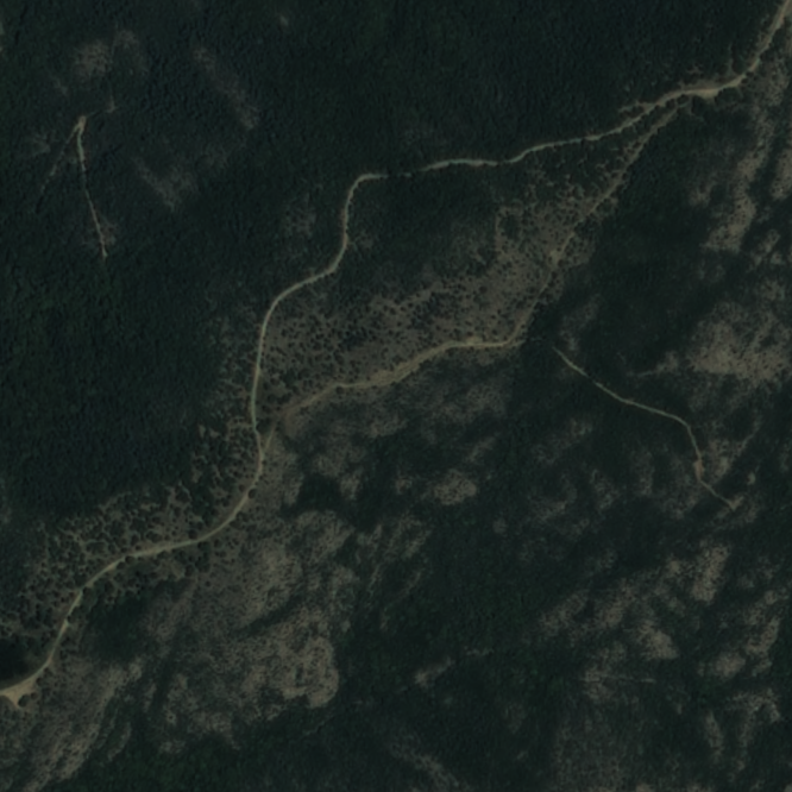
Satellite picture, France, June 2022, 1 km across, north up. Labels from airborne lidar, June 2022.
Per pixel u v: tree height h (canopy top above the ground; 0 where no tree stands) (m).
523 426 12
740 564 7
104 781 13
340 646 8
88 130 7
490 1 10
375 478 6
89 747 6
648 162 15
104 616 10
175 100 14
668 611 7
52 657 0
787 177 0
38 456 16
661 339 5
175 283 5
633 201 7
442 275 6
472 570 5
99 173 15
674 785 6
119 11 11
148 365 7
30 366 20
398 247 6
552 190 6
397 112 7
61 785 5
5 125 11
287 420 0
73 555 6
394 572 6
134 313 10
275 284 5
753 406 6
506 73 7
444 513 6
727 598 7
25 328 18
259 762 9
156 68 12
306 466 9
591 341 6
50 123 6
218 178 7
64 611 0
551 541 5
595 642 6
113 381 13
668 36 7
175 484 6
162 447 8
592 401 7
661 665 8
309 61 15
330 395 0
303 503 8
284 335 7
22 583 7
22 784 6
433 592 7
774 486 6
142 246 11
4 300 11
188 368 9
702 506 6
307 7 7
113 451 13
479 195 6
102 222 7
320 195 8
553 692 7
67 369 15
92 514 7
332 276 8
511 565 6
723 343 0
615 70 8
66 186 11
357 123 10
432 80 6
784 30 7
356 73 16
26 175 11
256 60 13
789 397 6
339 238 8
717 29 7
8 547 6
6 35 7
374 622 6
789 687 10
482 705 6
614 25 12
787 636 14
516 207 6
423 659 8
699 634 7
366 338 9
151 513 7
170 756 7
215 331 5
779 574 8
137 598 8
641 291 7
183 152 8
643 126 6
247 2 10
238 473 10
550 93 9
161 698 5
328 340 6
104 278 15
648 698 6
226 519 0
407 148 6
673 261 5
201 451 9
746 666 5
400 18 10
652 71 7
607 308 6
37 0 7
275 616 6
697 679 11
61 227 11
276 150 9
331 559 6
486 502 5
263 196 6
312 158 7
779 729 11
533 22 11
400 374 0
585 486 6
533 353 11
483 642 10
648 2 17
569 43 9
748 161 0
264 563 0
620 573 7
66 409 18
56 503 10
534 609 10
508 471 8
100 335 14
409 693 8
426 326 8
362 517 9
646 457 0
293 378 8
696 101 9
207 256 6
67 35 6
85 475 16
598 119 7
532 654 11
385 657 10
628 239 6
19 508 6
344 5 8
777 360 0
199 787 8
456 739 6
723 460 0
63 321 19
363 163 9
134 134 8
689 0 8
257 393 0
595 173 7
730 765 6
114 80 7
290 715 7
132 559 12
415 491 9
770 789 8
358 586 7
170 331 7
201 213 5
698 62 8
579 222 6
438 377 6
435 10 11
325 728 8
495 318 6
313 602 6
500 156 9
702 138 6
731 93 9
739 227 0
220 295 6
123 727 7
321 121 6
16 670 13
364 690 9
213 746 8
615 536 6
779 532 7
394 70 9
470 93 7
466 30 13
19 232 9
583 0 11
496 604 11
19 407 18
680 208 7
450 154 8
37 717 6
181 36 5
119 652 5
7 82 15
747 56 5
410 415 7
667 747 7
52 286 17
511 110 7
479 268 6
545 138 9
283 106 10
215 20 14
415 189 10
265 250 5
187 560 7
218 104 11
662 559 6
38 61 8
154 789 10
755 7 6
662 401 10
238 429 6
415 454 7
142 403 6
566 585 9
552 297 9
